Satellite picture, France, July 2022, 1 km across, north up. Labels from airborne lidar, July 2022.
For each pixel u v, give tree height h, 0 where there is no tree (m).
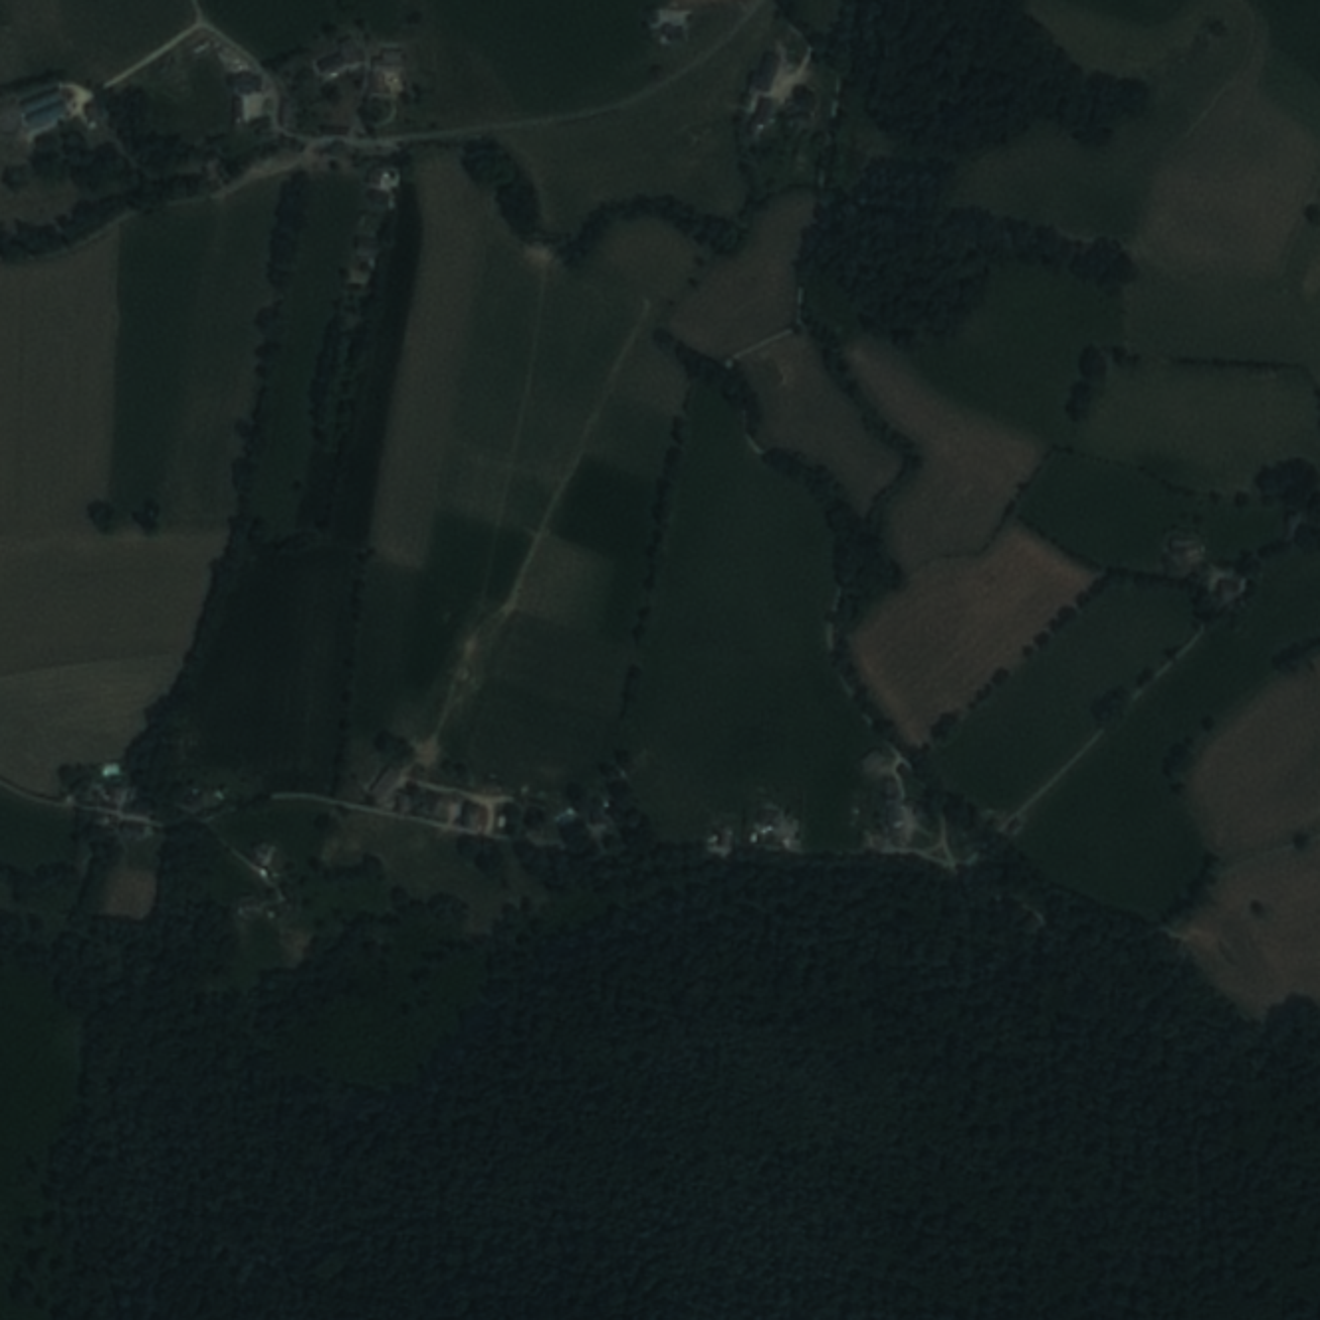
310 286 0
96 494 0
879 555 25
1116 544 0
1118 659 0
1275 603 0
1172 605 0
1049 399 0
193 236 0
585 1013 10
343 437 20
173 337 0
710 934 24
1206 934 0
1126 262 19
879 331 21
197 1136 16
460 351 0
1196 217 0
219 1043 13
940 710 0
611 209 8
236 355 0
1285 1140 14
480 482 0
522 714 0
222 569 18
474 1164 8
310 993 13
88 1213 12
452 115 0
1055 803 0
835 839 0
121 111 19
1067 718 0
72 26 0
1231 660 0
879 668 0
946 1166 17
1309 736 0
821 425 0
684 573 0
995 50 23
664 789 0
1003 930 21
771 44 0
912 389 0
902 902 11
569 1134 15
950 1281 6
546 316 0
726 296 0
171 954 19
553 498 0
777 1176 11
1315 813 0
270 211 0
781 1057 8
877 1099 7
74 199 0
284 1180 14
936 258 22
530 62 0
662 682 0
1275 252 0
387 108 8
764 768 0
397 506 0
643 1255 14
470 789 0
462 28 0
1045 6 0
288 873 7
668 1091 14
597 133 0
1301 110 0
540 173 0
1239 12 0
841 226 25
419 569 0
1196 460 0
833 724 0
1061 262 11
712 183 0
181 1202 12
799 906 17
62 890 8
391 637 0
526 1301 15
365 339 22
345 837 0
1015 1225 11
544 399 0
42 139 10
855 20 9
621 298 0
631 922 18
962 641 0
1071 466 0
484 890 0
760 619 0
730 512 0
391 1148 21
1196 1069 24
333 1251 24
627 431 0
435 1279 9
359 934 8
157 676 0
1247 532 0
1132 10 0
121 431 0
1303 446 0
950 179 21
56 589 0
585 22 0
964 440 0
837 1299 9
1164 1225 12
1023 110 20
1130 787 0
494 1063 13
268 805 8
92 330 0
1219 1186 25
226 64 0
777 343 0
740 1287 7
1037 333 0
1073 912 19
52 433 0
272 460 0
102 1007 23
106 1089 14
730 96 0
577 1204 8
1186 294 0
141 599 0
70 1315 18
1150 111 15
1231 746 0
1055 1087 18
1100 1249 9
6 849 0
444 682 0
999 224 20
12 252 21
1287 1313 8
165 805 11
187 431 0
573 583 0
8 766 0
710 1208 8
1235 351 0
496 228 0
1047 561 0
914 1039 22
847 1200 7
